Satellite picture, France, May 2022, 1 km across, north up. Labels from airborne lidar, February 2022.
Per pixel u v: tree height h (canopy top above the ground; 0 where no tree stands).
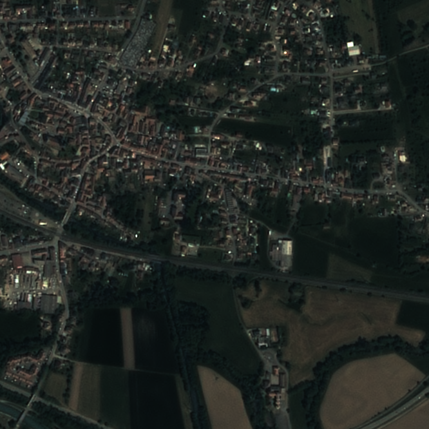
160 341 0
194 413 13
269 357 0
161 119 12
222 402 0
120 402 0
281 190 0
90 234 10
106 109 0
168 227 0
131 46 0
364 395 0
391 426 0
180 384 0
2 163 0
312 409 16
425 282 0
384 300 0
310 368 0
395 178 0
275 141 0
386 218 0
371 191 0
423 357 0
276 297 0
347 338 0
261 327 0
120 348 0
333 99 0
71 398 0
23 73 0
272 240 0
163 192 13
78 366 0
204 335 11
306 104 0
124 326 0
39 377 13
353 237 0
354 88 0
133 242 11
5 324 0
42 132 0
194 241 0
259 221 0
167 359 0
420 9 0
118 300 20
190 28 0
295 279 0
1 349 7
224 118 0
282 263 0
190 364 17
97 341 0
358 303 0
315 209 0
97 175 0
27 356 0
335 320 0
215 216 10
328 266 0
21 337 0
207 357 18
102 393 0
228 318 0
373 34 0
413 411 0
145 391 0
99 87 0
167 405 0
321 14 0
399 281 0
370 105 0
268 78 6
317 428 16
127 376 0
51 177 0
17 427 0
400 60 0
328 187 0
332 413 0
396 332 0
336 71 0
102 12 0
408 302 0
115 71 0
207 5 0
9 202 0
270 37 0
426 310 0
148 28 0
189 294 0
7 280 0
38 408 19
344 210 0
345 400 0
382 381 0
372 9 0
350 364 0
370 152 12
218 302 0
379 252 0
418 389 0
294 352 0
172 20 0
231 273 0
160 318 0
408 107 0
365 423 0
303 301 13
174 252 0
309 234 0
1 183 8
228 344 0
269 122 0
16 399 14
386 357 0
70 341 0
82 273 15
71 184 0
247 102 0
